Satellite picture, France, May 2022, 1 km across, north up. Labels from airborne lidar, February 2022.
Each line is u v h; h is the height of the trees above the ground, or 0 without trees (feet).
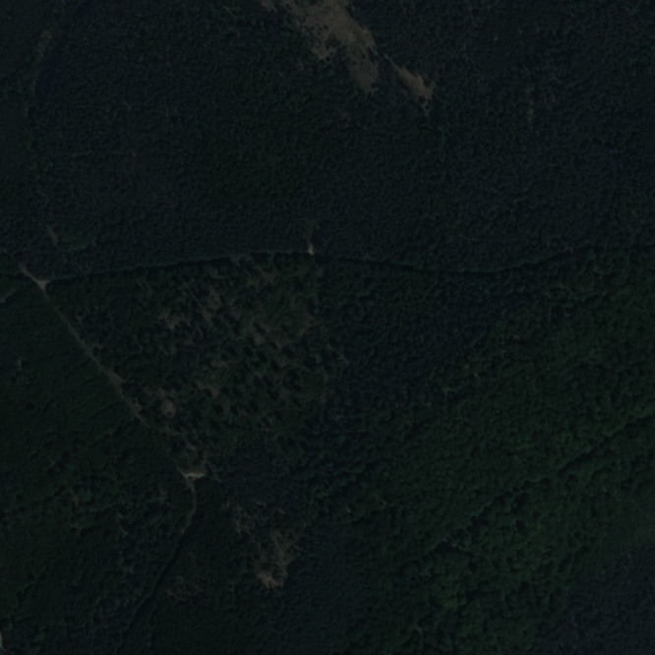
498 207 88
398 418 114
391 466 106
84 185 54
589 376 119
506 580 101
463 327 91
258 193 61
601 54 77
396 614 88
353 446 118
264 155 74
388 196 77
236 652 47
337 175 93
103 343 98
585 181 77
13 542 50
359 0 84
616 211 98
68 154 53
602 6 79
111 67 93
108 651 43
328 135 66
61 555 41
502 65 27
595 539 99
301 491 48
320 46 88
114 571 44
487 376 98
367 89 0
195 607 48
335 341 24
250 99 72
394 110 96
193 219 82
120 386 0
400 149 84
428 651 88
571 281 88
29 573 41
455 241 97
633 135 60
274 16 18
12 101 68
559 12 47
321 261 71
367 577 88
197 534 64
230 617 42
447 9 85
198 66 73
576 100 80
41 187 76
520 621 91
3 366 64
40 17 58
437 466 90
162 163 60
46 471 22
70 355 60
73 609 46
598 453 90
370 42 0
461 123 83
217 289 92
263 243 91
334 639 60
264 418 0
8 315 47
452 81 91
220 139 68
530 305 88
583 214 82
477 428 68
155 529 27
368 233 76
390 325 66
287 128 80
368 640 100
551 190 84
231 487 47
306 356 20
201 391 83
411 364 84
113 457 31
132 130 60
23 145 65
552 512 70
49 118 67
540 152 96
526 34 28
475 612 117
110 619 36
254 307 32
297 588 75
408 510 87
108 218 59
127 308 37
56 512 47
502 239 81
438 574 125
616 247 81
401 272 80
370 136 74
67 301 36
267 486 33
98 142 61
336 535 75
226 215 48
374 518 96
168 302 93
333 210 85
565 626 36
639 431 98
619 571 75
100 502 91
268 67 74
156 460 57
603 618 81
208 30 65
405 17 81
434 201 81
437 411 96
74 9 43
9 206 82
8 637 51
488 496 88
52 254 86
